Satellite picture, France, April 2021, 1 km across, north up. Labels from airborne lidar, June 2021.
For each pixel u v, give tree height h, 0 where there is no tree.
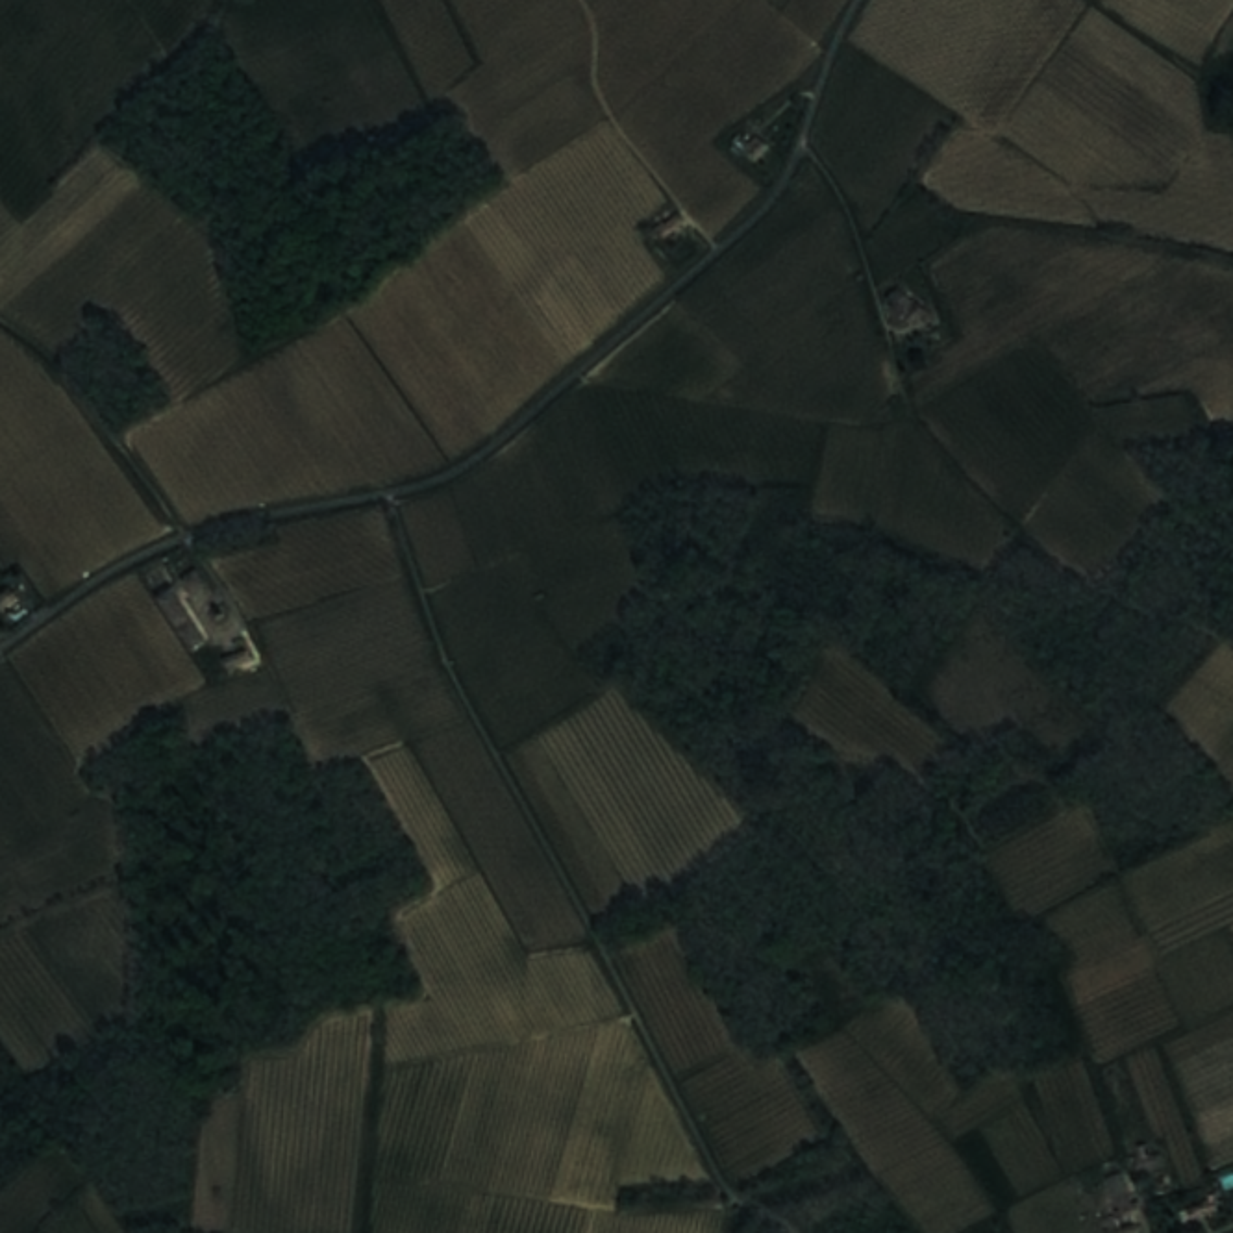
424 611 0
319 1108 0
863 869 18
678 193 0
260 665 0
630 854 0
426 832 0
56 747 0
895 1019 0
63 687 0
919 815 15
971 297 0
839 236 0
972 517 0
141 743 18
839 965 15
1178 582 22
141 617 0
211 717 0
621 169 0
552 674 0
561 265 0
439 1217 0
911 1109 0
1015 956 20
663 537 14
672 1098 0
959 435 0
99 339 15
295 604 0
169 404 17
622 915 19
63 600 0
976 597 20
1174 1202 8
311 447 0
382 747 0
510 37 0
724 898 25
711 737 18
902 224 0
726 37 0
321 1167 0
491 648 0
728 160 0
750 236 0
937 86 0
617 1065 0
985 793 22
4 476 0
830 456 0
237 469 0
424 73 0
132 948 13
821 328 0
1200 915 0
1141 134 0
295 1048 20
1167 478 20
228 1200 0
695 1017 0
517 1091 0
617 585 0
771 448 0
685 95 0
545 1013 0
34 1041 0
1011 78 0
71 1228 0
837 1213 11
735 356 0
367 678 0
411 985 18
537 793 0
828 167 0
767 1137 0
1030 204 0
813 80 0
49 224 0
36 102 0
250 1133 0
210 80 23
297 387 0
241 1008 19
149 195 0
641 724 0
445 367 0
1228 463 19
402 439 0
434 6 0
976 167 0
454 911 0
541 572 0
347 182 17
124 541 0
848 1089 0
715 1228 0
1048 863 0
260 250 23
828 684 0
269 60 0
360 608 0
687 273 0
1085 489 0
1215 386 0
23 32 0
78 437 0
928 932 16
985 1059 17
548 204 0
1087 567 0
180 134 23
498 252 0
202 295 0
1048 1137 0
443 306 0
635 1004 0
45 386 0
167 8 0
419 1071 0
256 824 21
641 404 0
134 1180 19
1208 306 0
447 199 27
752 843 19
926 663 13
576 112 0
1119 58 0
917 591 23
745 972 20
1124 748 21
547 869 0
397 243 23
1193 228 0
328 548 0
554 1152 0
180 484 0
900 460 0
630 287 0
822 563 20
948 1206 0
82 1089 23
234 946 22
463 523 0
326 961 20
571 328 0
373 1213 0
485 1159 0
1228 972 0
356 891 20
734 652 26
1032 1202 0
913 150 0
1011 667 0
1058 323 0
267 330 23
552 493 0
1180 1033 0
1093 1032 0
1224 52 0
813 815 14
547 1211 0
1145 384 0
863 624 23
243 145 25
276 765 21
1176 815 18
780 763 18
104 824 0
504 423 0
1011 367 0
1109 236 11
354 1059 0
